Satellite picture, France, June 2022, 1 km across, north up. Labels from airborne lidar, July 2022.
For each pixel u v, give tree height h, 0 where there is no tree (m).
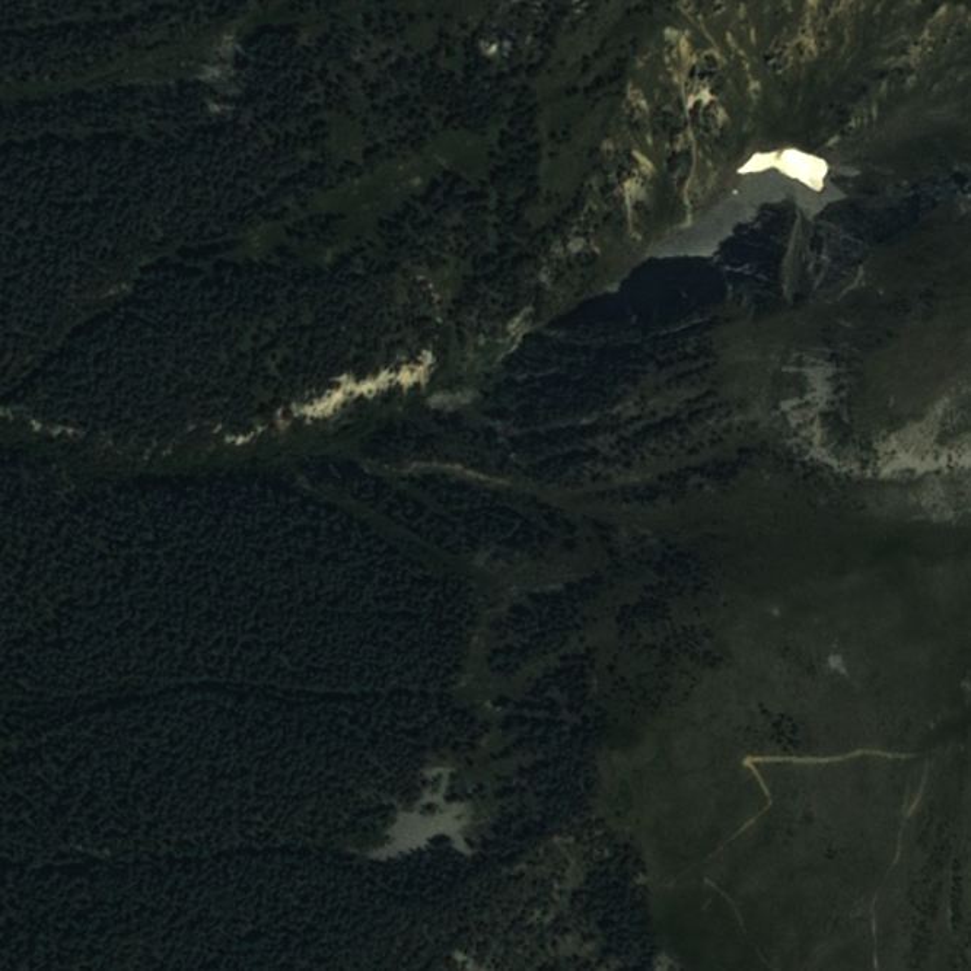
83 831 23
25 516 16
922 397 0
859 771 0
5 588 25
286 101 17
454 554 17
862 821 0
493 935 8
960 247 0
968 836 0
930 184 0
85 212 17
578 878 0
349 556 18
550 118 0
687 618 0
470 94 9
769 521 0
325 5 13
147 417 18
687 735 0
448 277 0
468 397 0
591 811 7
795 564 0
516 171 15
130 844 14
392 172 0
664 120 7
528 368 8
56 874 30
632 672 0
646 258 0
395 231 15
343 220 7
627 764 0
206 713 25
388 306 11
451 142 0
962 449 0
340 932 17
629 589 0
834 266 0
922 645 0
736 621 0
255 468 11
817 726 0
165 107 10
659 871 0
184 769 18
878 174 0
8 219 21
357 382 7
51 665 19
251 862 21
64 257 17
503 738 8
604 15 0
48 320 18
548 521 15
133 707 22
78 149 23
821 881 0
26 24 16
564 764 10
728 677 0
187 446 7
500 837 17
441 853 10
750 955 0
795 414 0
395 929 13
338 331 9
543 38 9
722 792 0
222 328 16
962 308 0
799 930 0
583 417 9
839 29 0
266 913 19
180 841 9
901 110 0
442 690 12
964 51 0
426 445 11
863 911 0
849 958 0
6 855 20
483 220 11
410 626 18
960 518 0
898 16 0
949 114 0
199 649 17
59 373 17
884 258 0
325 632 19
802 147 0
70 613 22
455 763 0
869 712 0
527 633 9
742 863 0
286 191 19
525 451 9
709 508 0
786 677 0
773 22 0
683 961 0
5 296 21
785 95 0
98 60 14
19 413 9
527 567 0
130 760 25
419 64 11
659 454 8
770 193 0
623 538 0
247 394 21
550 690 9
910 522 0
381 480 6
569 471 10
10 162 22
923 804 0
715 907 0
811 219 0
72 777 26
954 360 0
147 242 18
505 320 8
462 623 20
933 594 0
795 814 0
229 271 26
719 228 0
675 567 10
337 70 0
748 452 7
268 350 25
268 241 0
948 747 0
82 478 6
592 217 8
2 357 16
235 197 22
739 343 0
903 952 0
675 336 7
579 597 10
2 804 24
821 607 0
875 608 0
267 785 20
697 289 0
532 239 9
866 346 0
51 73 6
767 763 0
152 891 23
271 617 26
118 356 17
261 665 22
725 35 0
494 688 0
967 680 0
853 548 0
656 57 0
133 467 9
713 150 0
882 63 0
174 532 20
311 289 15
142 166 16
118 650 22
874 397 0
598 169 7
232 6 18
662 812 0
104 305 7
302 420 6
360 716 20
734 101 0
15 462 10
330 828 22
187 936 19
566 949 0
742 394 0
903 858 0
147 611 23
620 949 7
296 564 19
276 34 16
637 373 8
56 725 17
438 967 16
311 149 18
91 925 26
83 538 20
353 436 7
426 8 0
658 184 0
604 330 7
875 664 0
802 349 0
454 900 12
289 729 21
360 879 21
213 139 13
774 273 8
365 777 15
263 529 13
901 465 0
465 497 15
